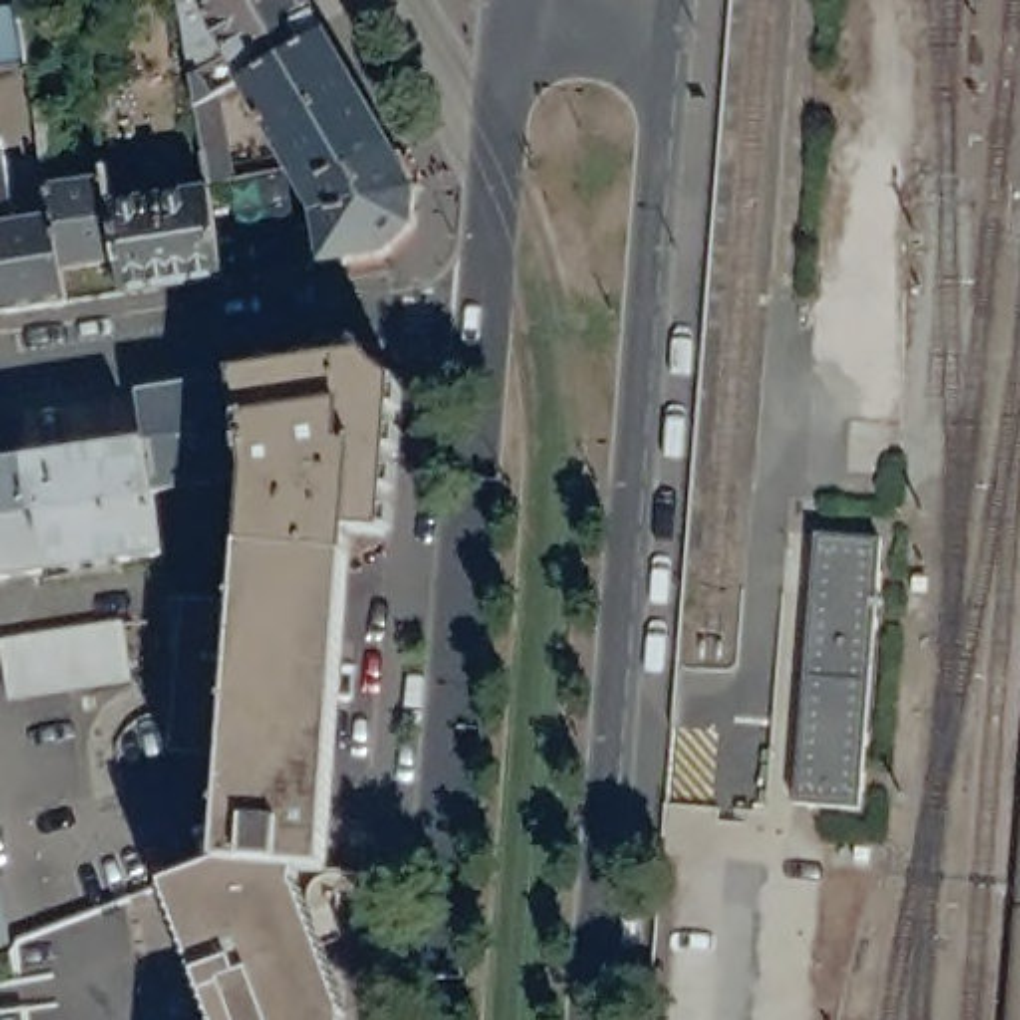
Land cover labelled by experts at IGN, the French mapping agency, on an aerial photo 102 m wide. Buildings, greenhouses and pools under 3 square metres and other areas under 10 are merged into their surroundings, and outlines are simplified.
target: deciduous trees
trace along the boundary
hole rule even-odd
[[[606,606],[598,602],[594,586],[562,590],[566,618],[574,618],[582,630],[594,630],[602,622]]]
[[[498,558],[514,538],[514,498],[494,506],[490,550]]]
[[[24,96],[28,104],[40,104],[36,120],[48,124],[48,155],[96,143],[100,108],[108,92],[120,92],[135,80],[131,36],[147,36],[151,24],[163,20],[155,0],[0,0],[0,8],[24,20],[28,56]]]
[[[590,773],[574,753],[538,785],[554,793],[562,805],[582,805]]]
[[[450,522],[478,490],[478,474],[470,474],[470,442],[486,410],[502,402],[502,375],[478,375],[458,363],[438,367],[438,375],[418,390],[414,402],[414,434],[434,442],[426,446],[426,466],[406,470],[414,486],[414,514],[426,514],[426,522]]]
[[[614,522],[602,518],[602,502],[594,502],[586,510],[586,522],[570,522],[566,530],[566,546],[578,546],[582,562],[606,554]]]
[[[363,60],[371,64],[406,52],[406,32],[386,12],[363,12],[359,20],[351,20]]]
[[[434,139],[442,139],[446,116],[438,108],[438,84],[426,68],[410,68],[398,80],[379,84],[371,100],[379,108],[383,128],[402,143],[430,147]]]
[[[562,920],[554,936],[538,940],[534,964],[566,964],[578,944],[578,924]]]
[[[538,885],[550,885],[554,893],[578,889],[586,877],[586,849],[574,841],[546,845],[546,861],[538,873]]]
[[[450,889],[470,885],[478,893],[486,889],[490,869],[502,865],[486,853],[486,825],[482,833],[462,833],[458,849],[442,861],[430,861],[418,849],[402,865],[347,873],[343,896],[351,900],[355,924],[367,928],[367,936],[379,944],[375,972],[351,984],[351,1020],[478,1020],[466,976],[482,960],[482,948],[502,936],[502,916],[482,916],[458,936],[454,956],[430,944],[430,932],[446,920]]]
[[[677,893],[677,869],[657,829],[653,837],[622,841],[614,849],[610,873],[602,877],[598,900],[622,924],[634,916],[638,924],[661,920],[661,908]]]
[[[673,1020],[669,968],[610,964],[578,988],[578,1020]]]
[[[506,582],[490,586],[482,598],[478,622],[494,641],[510,618]]]

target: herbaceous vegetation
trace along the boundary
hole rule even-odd
[[[908,837],[904,845],[873,861],[853,869],[837,865],[833,877],[821,881],[817,936],[809,960],[817,1012],[813,1020],[861,1020],[873,1004],[877,976],[889,964],[896,904],[912,857]]]
[[[502,661],[494,673],[478,681],[474,693],[478,733],[494,749],[494,781],[490,793],[478,801],[486,825],[486,853],[502,865],[490,869],[486,889],[478,893],[482,916],[502,916],[502,936],[482,948],[482,960],[466,976],[478,1020],[562,1020],[558,996],[574,992],[566,984],[566,964],[534,964],[538,940],[554,936],[562,920],[578,924],[578,889],[554,893],[550,885],[538,885],[538,873],[546,861],[546,845],[574,841],[586,849],[582,805],[562,805],[554,793],[538,785],[574,753],[590,773],[602,622],[594,630],[582,630],[574,618],[566,618],[562,590],[594,586],[598,602],[606,606],[606,554],[582,562],[578,546],[566,546],[566,530],[570,522],[586,522],[586,510],[594,502],[602,502],[602,518],[614,522],[622,347],[630,311],[634,203],[641,151],[634,100],[610,80],[562,76],[534,96],[526,112],[522,199],[514,231],[514,307],[502,375],[502,402],[498,470],[510,482],[514,498],[514,538],[498,558],[506,582],[510,618],[494,641]]]
[[[48,155],[40,179],[76,175],[92,171],[96,163],[108,163],[112,191],[120,191],[128,203],[159,203],[175,183],[199,175],[195,139],[187,139],[167,128],[175,120],[179,60],[187,60],[187,52],[171,56],[163,20],[151,24],[147,36],[131,36],[135,80],[120,92],[108,92],[100,108],[96,143]]]

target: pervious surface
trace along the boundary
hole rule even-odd
[[[912,857],[896,904],[889,964],[877,976],[873,1004],[861,1020],[1020,1020],[1020,0],[849,0],[833,68],[813,68],[809,0],[729,0],[701,303],[713,319],[713,335],[705,355],[701,450],[685,458],[685,550],[709,542],[717,526],[745,526],[753,534],[757,490],[749,490],[749,474],[757,458],[761,363],[769,363],[777,379],[801,375],[813,363],[821,383],[833,390],[841,414],[849,414],[849,470],[873,474],[881,450],[904,450],[908,486],[896,510],[900,518],[908,522],[908,542],[916,546],[916,578],[908,586],[904,606],[896,745],[893,769],[869,765],[869,785],[889,789],[889,833],[885,841],[869,845],[873,861],[904,845],[908,837]],[[793,295],[801,108],[809,100],[829,104],[837,124],[829,187],[821,207],[817,299]]]

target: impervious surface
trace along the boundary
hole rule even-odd
[[[219,653],[219,586],[235,490],[235,454],[227,442],[227,426],[215,422],[211,438],[199,438],[191,446],[179,442],[175,482],[155,502],[159,558],[116,562],[108,570],[96,570],[92,562],[80,562],[80,570],[48,566],[40,578],[0,582],[0,641],[40,630],[124,622],[128,649],[139,661],[128,681],[80,685],[40,697],[8,697],[0,661],[0,904],[12,920],[12,952],[0,952],[0,1020],[203,1020],[179,952],[159,948],[155,920],[163,908],[163,869],[203,849],[211,697]]]
[[[263,120],[243,104],[243,92],[235,88],[227,100],[219,100],[219,112],[227,143],[243,147],[235,155],[235,171],[271,171],[275,163],[263,151]]]
[[[634,100],[641,151],[634,203],[630,311],[622,347],[614,522],[606,554],[606,606],[602,622],[590,773],[582,805],[586,849],[586,877],[578,889],[578,924],[578,944],[566,964],[566,984],[574,992],[558,996],[562,1020],[578,1020],[578,988],[610,964],[669,968],[673,1020],[813,1020],[817,1012],[809,960],[817,936],[821,881],[833,877],[837,865],[853,869],[873,861],[869,845],[829,845],[817,837],[817,825],[805,829],[801,821],[793,821],[797,797],[789,797],[785,781],[797,777],[801,757],[817,534],[889,538],[893,522],[900,518],[896,510],[889,510],[877,522],[813,514],[817,486],[873,490],[873,474],[849,470],[849,414],[841,414],[833,390],[821,383],[813,363],[801,375],[777,379],[769,363],[761,363],[757,458],[749,474],[749,490],[757,490],[753,534],[745,526],[717,526],[709,542],[685,550],[685,458],[701,450],[705,355],[713,335],[713,319],[701,303],[729,0],[319,0],[323,16],[331,20],[347,52],[363,60],[351,20],[359,20],[363,12],[386,12],[406,32],[406,52],[371,64],[367,72],[379,84],[398,80],[410,68],[426,68],[438,84],[438,108],[446,116],[442,139],[434,139],[430,147],[402,143],[398,167],[406,187],[422,183],[422,207],[414,239],[383,263],[347,271],[335,259],[319,259],[319,251],[307,243],[303,203],[291,203],[283,215],[259,223],[239,223],[223,215],[219,267],[207,279],[151,295],[124,295],[124,287],[116,287],[112,279],[112,267],[92,267],[64,275],[64,311],[16,319],[4,319],[0,311],[0,426],[28,422],[52,430],[60,422],[92,422],[104,438],[131,434],[135,383],[179,379],[187,398],[203,398],[227,386],[227,363],[311,347],[359,347],[371,363],[386,367],[402,383],[402,474],[394,486],[398,526],[379,550],[371,550],[371,558],[355,566],[347,582],[343,701],[335,717],[335,805],[327,853],[327,861],[347,873],[402,865],[418,849],[430,861],[442,861],[458,849],[462,833],[482,833],[486,825],[478,801],[490,793],[494,781],[494,749],[478,733],[474,693],[478,681],[494,673],[502,661],[494,641],[478,622],[482,598],[490,586],[506,582],[498,558],[490,550],[494,506],[514,498],[510,482],[498,470],[502,402],[486,410],[470,442],[470,474],[478,474],[478,490],[450,522],[426,522],[426,514],[414,514],[414,486],[406,470],[426,466],[426,446],[434,442],[414,434],[414,402],[418,390],[438,375],[438,367],[458,363],[478,375],[502,375],[514,307],[514,231],[522,199],[526,112],[534,96],[562,76],[610,80]],[[661,920],[638,924],[634,916],[622,924],[598,900],[602,877],[610,873],[614,849],[622,841],[653,837],[657,829],[677,869],[677,893],[661,908]]]
[[[36,120],[40,104],[28,104],[24,96],[28,56],[0,64],[0,167],[12,163],[12,191],[8,199],[0,199],[0,215],[44,211],[40,179],[48,155],[36,151]]]
[[[470,885],[450,889],[446,920],[430,932],[430,944],[454,956],[458,936],[482,916],[478,893]]]
[[[351,984],[375,972],[379,944],[367,936],[367,928],[355,924],[351,900],[343,896],[335,908],[335,932],[327,936],[327,960],[339,964]]]

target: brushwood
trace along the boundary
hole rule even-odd
[[[809,0],[813,68],[833,68],[849,0]]]
[[[873,490],[817,486],[813,514],[877,522],[889,510],[896,510],[908,486],[904,450],[881,450],[873,474]]]
[[[187,60],[179,60],[175,120],[167,128],[187,139],[195,131],[199,112],[183,92],[187,72],[195,68],[195,60]]]
[[[916,546],[908,542],[908,522],[900,518],[893,522],[889,538],[869,765],[893,769],[896,745],[904,606],[908,586],[916,578]]]
[[[889,833],[889,789],[869,785],[861,813],[817,813],[817,825],[817,837],[829,845],[869,845],[885,841]]]
[[[829,104],[809,100],[801,108],[793,295],[817,299],[821,207],[829,187],[837,124]]]

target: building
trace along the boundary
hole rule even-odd
[[[12,191],[12,163],[0,167],[0,199],[8,199]]]
[[[0,8],[0,64],[28,56],[24,20]]]
[[[12,920],[0,904],[0,952],[12,952]]]
[[[402,143],[383,128],[379,108],[371,100],[379,84],[367,72],[371,64],[363,60],[347,52],[331,20],[323,16],[319,0],[155,0],[163,20],[171,56],[187,52],[187,60],[195,60],[195,68],[187,72],[183,92],[199,112],[195,131],[187,139],[195,139],[199,175],[175,183],[159,203],[128,203],[120,191],[112,191],[108,163],[96,163],[92,171],[76,175],[40,179],[44,211],[0,215],[0,311],[4,319],[16,319],[64,311],[64,275],[92,267],[112,267],[112,279],[116,287],[124,287],[124,295],[151,295],[207,279],[219,267],[223,215],[239,223],[259,223],[283,215],[291,203],[303,203],[307,243],[319,251],[319,259],[335,259],[347,271],[383,263],[414,239],[422,207],[422,183],[406,187],[398,167]],[[235,171],[235,155],[243,147],[227,143],[219,112],[219,100],[227,100],[235,88],[243,92],[243,104],[263,120],[263,151],[275,163],[271,171]]]
[[[48,155],[48,124],[36,120],[36,151]]]
[[[40,697],[80,685],[128,681],[139,661],[128,649],[124,622],[40,630],[0,641],[0,661],[8,697]]]
[[[235,454],[235,490],[219,586],[219,653],[211,697],[203,849],[163,869],[163,908],[155,920],[159,948],[179,952],[203,1020],[351,1020],[351,984],[339,964],[327,960],[327,936],[335,932],[335,908],[343,896],[347,873],[327,861],[327,853],[335,805],[335,717],[343,701],[347,582],[355,566],[371,558],[371,550],[379,550],[398,526],[394,486],[402,474],[402,383],[386,367],[371,363],[359,347],[311,347],[227,363],[227,386],[203,398],[187,398],[179,379],[135,383],[131,434],[104,438],[92,422],[60,422],[52,430],[28,422],[0,426],[0,582],[40,578],[48,566],[80,570],[80,562],[92,562],[96,570],[108,570],[116,562],[159,558],[155,502],[175,482],[179,442],[191,446],[199,438],[211,438],[215,422],[227,426],[227,442]]]
[[[861,813],[869,785],[869,765],[889,538],[817,534],[801,757],[797,777],[785,781],[789,797],[797,797],[793,821],[801,821],[805,829],[817,825],[817,813]]]

